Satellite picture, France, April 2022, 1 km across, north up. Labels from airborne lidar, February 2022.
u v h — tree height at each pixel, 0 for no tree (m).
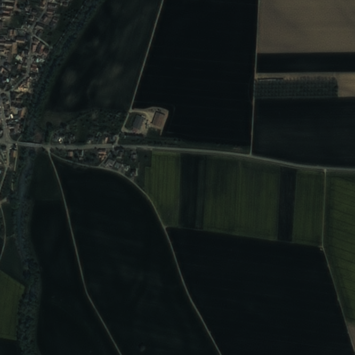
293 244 0
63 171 0
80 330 0
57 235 0
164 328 0
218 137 0
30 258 7
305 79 13
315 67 0
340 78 0
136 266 0
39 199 0
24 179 0
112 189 0
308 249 0
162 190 0
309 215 0
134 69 0
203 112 0
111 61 0
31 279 26
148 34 0
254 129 0
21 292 0
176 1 0
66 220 0
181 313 0
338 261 0
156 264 0
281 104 0
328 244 0
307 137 0
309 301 0
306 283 0
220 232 0
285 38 0
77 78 0
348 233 0
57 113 0
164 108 0
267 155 0
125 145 0
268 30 0
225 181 0
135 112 0
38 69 10
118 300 0
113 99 0
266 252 0
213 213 0
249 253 0
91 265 0
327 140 0
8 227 0
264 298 0
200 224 0
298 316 0
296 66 0
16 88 0
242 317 0
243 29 0
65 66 0
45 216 0
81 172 0
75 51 0
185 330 0
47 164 0
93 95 0
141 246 0
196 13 0
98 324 0
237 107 0
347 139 0
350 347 0
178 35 0
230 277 0
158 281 0
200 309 0
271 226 0
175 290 0
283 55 0
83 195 0
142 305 0
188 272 0
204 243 0
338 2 0
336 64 0
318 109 0
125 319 0
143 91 0
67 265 0
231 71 0
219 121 0
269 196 0
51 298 0
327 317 0
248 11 0
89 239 0
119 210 0
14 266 0
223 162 0
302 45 0
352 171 0
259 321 0
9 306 0
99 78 0
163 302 0
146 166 0
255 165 0
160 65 0
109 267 0
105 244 0
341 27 0
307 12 0
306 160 0
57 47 15
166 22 0
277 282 0
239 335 0
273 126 0
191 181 0
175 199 0
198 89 0
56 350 0
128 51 0
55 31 0
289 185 0
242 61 0
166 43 0
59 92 0
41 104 20
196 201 0
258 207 0
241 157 0
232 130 0
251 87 0
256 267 0
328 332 0
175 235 0
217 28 0
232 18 0
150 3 0
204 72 0
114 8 0
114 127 0
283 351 0
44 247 0
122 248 0
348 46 0
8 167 0
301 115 0
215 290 0
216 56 0
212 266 0
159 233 0
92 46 0
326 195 0
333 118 0
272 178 0
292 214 0
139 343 0
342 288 0
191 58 0
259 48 0
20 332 15
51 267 0
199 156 0
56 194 0
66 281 0
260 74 0
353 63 0
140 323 0
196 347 0
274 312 0
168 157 0
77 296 0
